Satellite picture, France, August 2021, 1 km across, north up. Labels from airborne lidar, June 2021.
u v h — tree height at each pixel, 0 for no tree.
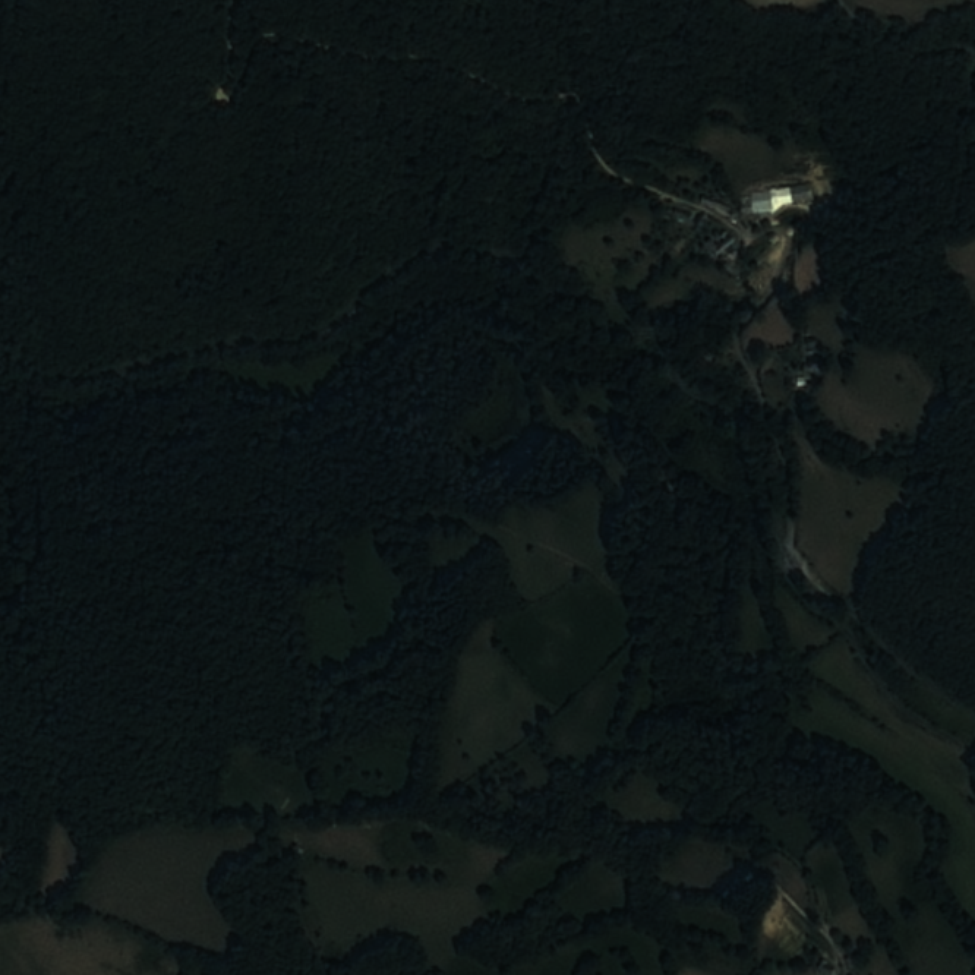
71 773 20
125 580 19
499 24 12
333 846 0
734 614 22
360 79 23
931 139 25
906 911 22
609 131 19
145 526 21
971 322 22
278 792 0
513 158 10
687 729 22
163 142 14
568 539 0
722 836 19
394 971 25
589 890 0
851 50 21
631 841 24
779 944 0
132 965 0
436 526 16
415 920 0
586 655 0
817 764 13
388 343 11
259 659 24
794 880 0
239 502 30
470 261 21
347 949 0
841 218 22
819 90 23
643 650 14
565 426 0
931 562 23
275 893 21
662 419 27
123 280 19
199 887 0
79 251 20
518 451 7
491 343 13
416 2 16
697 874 0
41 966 0
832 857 0
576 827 20
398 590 0
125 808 19
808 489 0
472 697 0
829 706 0
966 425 21
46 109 30
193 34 24
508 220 23
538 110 18
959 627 21
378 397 19
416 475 22
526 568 0
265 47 22
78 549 21
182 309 20
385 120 27
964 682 21
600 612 0
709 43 19
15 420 28
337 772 6
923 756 0
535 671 0
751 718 26
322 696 20
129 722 21
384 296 23
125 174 16
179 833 0
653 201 12
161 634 23
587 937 21
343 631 0
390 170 25
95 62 23
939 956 0
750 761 28
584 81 24
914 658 21
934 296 22
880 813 8
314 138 18
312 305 23
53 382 20
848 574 0
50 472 26
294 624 25
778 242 0
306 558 20
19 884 17
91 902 0
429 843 21
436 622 31
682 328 32
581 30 19
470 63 22
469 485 18
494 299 10
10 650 26
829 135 24
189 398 29
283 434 24
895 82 20
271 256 25
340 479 27
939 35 18
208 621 21
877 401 0
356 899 0
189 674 21
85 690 22
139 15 28
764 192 0
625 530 32
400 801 17
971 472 23
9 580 37
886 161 24
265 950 25
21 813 29
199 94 20
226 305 20
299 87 28
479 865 0
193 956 18
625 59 18
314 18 23
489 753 0
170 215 23
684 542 21
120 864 0
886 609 18
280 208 17
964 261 0
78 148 27
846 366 15
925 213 26
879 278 23
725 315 20
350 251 21
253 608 25
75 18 25
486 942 25
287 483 26
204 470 20
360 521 20
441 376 16
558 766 19
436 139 24
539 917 20
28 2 22
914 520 23
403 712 22
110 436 28
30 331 22
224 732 21
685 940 18
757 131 12
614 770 17
